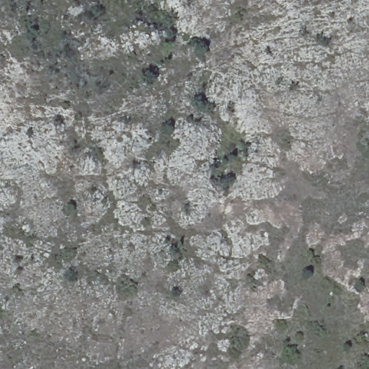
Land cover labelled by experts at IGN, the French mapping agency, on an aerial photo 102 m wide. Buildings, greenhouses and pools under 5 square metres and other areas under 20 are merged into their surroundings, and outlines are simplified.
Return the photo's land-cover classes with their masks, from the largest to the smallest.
<instances>
[{"label":"bare soil","instance_id":"1","mask_svg":"<svg viewBox=\"0 0 369 369\"><path fill-rule=\"evenodd\" d=\"M235 0H160V9L169 10L172 7L174 12H177L176 42L163 43L161 48L163 58L160 59L161 65L157 76V81L161 85L166 84L170 75H174V69L166 68V63H170L172 58L189 61L195 52V48H190L187 42L195 36H208L206 29H215L216 32L225 30L226 22H223V17L231 16L229 4H234ZM259 13L281 14L283 19L261 23L254 30L241 32L239 35H228L223 37L221 42L212 40L206 61L202 62L196 56L197 65H192V79L173 82L170 86L169 102L179 117L174 123L173 138L180 141V146L173 151L170 159L166 153H161L160 159H147L143 151L160 140L161 123L166 120L164 115L167 112L163 92L159 91V99L153 95H128L123 98L120 108L110 115H89L82 117L81 120H75V112L69 108L49 107V101L66 99L71 95V89H66L61 94H50L46 98V104H33L39 91L32 86L40 84L39 75H27L29 56H25L23 61H17L10 52L12 35L9 30H0V334L3 330L10 334H22L35 329L42 337L49 334L52 342L61 340L74 344L82 336V327L92 326V330L98 334V340L86 336V355L97 356V365L111 359H121L128 350L144 353L151 344L159 342L160 352L153 353V357L159 359V365L150 362L153 369H203L206 356L193 355V349L197 347L208 350L209 344L215 343L218 344L219 350L226 352L229 340H219L216 334L231 332V324L245 327L249 332L248 347L239 356L242 369H277L278 363L265 365V360L262 359L264 353L251 357L249 352L255 349V344L268 333V330L275 329L274 320L293 319L300 298H294L293 307L288 308L287 313L267 307L268 298L274 295L284 297L285 284L284 280L268 283V274L259 264V255H267V245L270 244L264 222L271 223L274 228H281L272 212L277 208L275 203L287 200L294 202L295 205H301L307 197L320 200L326 197V193L321 192L319 187L311 186L304 180V172L323 173L327 184L333 180L339 182L350 176L356 157L362 156L356 147L359 131L353 121L359 117V110L362 108L369 111V0H277L264 10H259ZM202 82L208 84L206 97L209 101L216 102L215 111L221 114L222 120L228 121L231 128H235L239 133H245V140L251 144L248 150V164L242 166L241 176H236L231 192L225 196L222 187L213 186L210 182V166L219 167L221 164L219 157H215V151L221 148L222 130L216 127V121L208 112L197 110L190 102L196 92H199ZM69 127L74 128L78 137L85 138V135H91L94 140H101V147L104 148L108 163H94V160L89 159V148H81L78 153H71L69 148L59 146V140H68V134L58 133L68 130ZM278 127H287L290 131L293 137L290 150L272 143L271 130ZM182 235L184 241L196 246L197 252L192 258L182 259L179 270L170 272L167 265L172 261V251L170 245L166 244V236L180 239ZM72 244L78 246L74 261H62L61 270L50 267L46 258ZM79 264L86 265L89 270L105 272L110 281L104 285L97 280L86 283V278H79L76 281L65 280V272L69 267H76ZM121 275H128L137 280L138 293L134 297L118 300L117 281ZM143 22H137L131 25L135 32L115 36L114 39H108L104 35L101 25H97L95 30L85 32L72 30V36L85 39L84 45L78 48L79 58L85 61L110 58L117 50L130 53L133 52L135 43L140 45V48L159 45L161 39L167 37V33L164 30L138 32ZM359 238L365 242V246H369V221L353 223L352 234L349 235L326 234L321 231L319 223L310 225L306 242L311 249L304 254L310 265L303 270V278L307 280L316 268L321 267L324 275L342 285L344 290L356 294L360 298L357 308L365 317L366 323L369 321V287L363 288V291H357L355 288L356 281L365 267V261L359 259L356 270H349L344 265L342 255L336 246L346 245L347 242ZM297 359H301V350L297 344L291 343L290 337H285L280 362L295 365Z\"/></svg>","mask_w":369,"mask_h":369},{"label":"herbaceous vegetation","instance_id":"2","mask_svg":"<svg viewBox=\"0 0 369 369\"><path fill-rule=\"evenodd\" d=\"M277 0H235L234 4H229L231 16L223 17V22H226L225 30L216 32L215 29H206L208 36H195L187 42L190 48H195V52L189 61L172 58L170 63H166V68L174 69V75H170L166 84L161 85L157 81V76L161 65L160 59L163 58L161 48L163 43L176 42L177 12H174L172 7L169 10L160 9V0H0V30H9L12 35L10 52L17 61H23L25 56H29L27 75H39L40 84L32 86L39 91L33 104H46V98L50 94H61L66 89H71V95L66 99L49 101V107L69 108L75 112V120H81L82 117L89 115H110L120 108L123 98L128 95H153L159 99V91L163 92L167 112L164 115L166 120L161 123L160 140L143 151L147 159H160L161 153H166L170 159L173 151L180 146V141L173 138L174 123L179 117L169 102L170 86L173 82L192 79V65H197L196 56L202 62L206 61L212 40L221 42L223 37L228 35H239L241 32L254 30L261 23L283 19L281 14L259 13V10H264ZM137 22H143L138 32L164 30L167 33V37L161 39L159 45L140 48V45L135 43L133 52L130 53L117 50L110 58L85 61L79 58L78 48L84 45L85 39L72 36V30L85 32L95 30L97 25H101L104 35L108 39H114L115 36L135 32L131 25ZM208 84L202 82L199 92H196L190 102L197 110L208 112L216 121V127L222 130L221 148L215 151V157H219L221 164L219 167L210 166V182L213 186L222 187L225 196L231 192L236 176H241L242 166L248 164V150L251 144L245 140V133H239L235 128H231L228 121L222 120L221 114L215 111L216 102L209 101L206 97ZM359 117L353 121L359 131L356 147L362 156L356 157L350 176L339 182L333 180L327 184L323 173L304 172V180L311 186L319 187L321 192L326 193V197L320 200L307 197L301 205H295L294 202L287 200L275 203L277 208L272 212L281 228H274L271 223L264 222L270 244L267 245V255H259V264L268 274V283L284 280L285 284L284 297L274 295L268 298L267 307L287 313L288 308L293 307L294 298H300L293 319L274 320L275 329L268 330V333L255 344V349L249 352L251 357L264 353L262 359L265 360V365L278 363L277 369H369V321L366 323L365 317L357 308L360 298L356 294L344 290L342 285L324 275L321 267L316 268L307 280L303 278V270L310 265L304 254L311 249L306 242L310 225L319 223L321 231L326 234L349 235L352 234L353 223L369 221V111L362 108L359 110ZM285 337H290L291 343L297 344L301 350V359H297L295 365L280 362ZM68 134V140H59V146L69 148L71 153H78L81 148H89V159L94 160V163H108L104 148L101 147V140H94L91 135H85V138L78 137L74 128L69 127L68 130L58 133ZM272 143L290 150L293 137L290 131L287 127H278L271 130ZM166 244L170 245L172 251V261L167 265L170 272L179 270L182 259L192 258L197 252L196 246L184 241L182 235L180 239L166 236ZM342 255L344 265L349 270H356L359 259L365 261V267L356 281L355 288L357 291H363V288L369 287V246H365V242L359 238L347 242L346 245L336 246ZM78 246L72 244L46 258L50 267L61 270L62 261H74ZM79 278H86V283L97 280L104 285L110 281L105 272L89 270L86 265L79 264L76 267H69L65 272V280L76 281ZM138 293L137 280L128 275H121L117 281L118 300L134 297ZM219 340H229L226 352L219 350L218 344L215 343L209 344L208 350L197 347L193 349V355L206 356L203 369H242L239 356L248 347L249 332L245 327L231 324V332L216 334ZM86 336L98 340V334L92 330V326L82 327V336L74 344L61 340L52 342L49 334L42 337L35 329L22 334H10L3 330L0 334V369H153L150 362L159 365V359L153 357V353L160 352L159 342L151 344L144 353L128 350L121 359H111L97 365V356L86 355Z\"/></svg>","mask_w":369,"mask_h":369}]
</instances>
